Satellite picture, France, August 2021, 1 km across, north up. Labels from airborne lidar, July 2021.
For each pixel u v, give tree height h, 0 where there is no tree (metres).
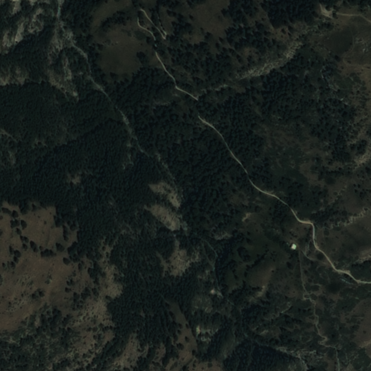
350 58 0
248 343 24
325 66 8
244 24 19
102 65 0
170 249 11
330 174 15
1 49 0
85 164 12
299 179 0
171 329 23
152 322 18
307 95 0
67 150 17
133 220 21
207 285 10
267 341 10
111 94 15
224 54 11
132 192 26
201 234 16
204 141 22
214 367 0
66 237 14
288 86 20
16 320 0
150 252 23
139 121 31
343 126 10
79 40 16
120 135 21
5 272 0
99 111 24
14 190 20
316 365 0
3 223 0
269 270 0
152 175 20
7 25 11
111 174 24
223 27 0
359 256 0
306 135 0
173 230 10
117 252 14
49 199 15
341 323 0
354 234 0
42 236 0
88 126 27
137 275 25
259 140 20
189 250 11
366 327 0
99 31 0
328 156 0
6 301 0
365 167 0
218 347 16
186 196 11
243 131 11
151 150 30
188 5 0
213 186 18
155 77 19
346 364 0
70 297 0
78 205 19
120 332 19
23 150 18
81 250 17
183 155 23
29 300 0
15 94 23
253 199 0
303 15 19
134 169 19
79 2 15
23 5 19
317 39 0
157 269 12
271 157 0
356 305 0
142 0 0
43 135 13
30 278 0
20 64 14
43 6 12
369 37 0
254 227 0
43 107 20
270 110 16
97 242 22
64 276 0
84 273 0
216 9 0
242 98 14
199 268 18
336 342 0
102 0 15
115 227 13
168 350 16
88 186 17
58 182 20
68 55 14
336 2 10
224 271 19
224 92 23
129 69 0
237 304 16
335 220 0
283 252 0
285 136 0
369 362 0
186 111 0
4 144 9
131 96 15
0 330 0
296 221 0
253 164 0
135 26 0
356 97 0
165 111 22
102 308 0
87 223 19
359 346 0
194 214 23
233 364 20
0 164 11
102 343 0
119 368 0
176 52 19
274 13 20
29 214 0
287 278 0
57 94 23
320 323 0
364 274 0
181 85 13
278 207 14
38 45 13
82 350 0
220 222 11
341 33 0
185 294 21
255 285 0
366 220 0
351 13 0
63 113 12
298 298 0
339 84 0
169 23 0
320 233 0
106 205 11
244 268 0
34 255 0
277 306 0
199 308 0
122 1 0
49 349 0
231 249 18
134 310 23
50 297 0
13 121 14
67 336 10
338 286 0
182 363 0
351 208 0
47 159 22
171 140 17
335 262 0
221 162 9
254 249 0
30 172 19
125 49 0
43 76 21
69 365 11
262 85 0
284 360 19
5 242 0
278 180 0
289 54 0
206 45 13
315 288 0
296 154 0
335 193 0
